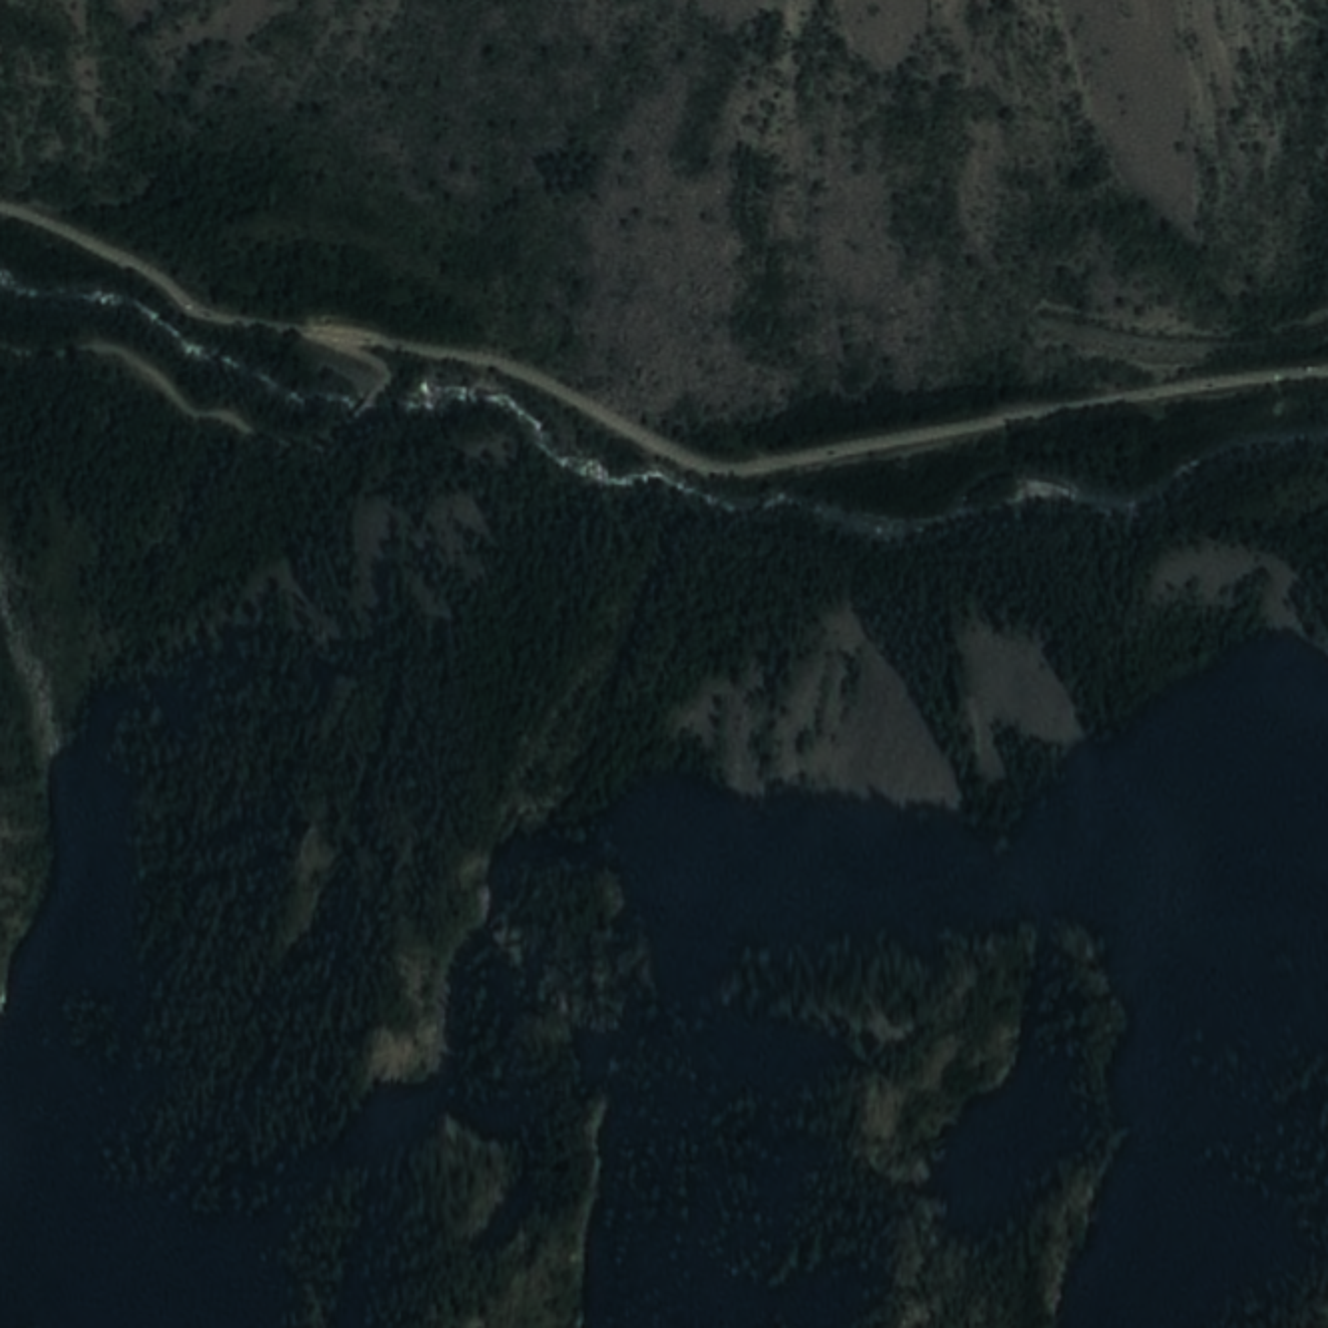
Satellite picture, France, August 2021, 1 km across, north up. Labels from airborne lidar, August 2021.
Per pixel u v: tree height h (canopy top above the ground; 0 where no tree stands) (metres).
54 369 16
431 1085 0
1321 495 7
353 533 23
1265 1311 15
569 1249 6
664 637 9
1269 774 21
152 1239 20
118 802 6
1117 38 0
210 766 13
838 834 10
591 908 7
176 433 16
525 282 8
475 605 7
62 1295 16
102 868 7
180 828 10
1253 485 16
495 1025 9
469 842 12
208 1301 7
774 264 8
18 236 12
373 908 7
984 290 9
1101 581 13
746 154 7
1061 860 0
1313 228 7
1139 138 0
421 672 20
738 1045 13
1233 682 8
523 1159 14
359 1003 19
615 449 11
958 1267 5
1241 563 0
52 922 0
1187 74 0
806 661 12
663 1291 6
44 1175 13
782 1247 8
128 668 20
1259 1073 9
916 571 17
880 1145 7
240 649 22
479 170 12
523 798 0
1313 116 6
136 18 0
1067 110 7
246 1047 21
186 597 11
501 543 7
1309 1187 13
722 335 0
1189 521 13
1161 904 0
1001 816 11
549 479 16
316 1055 21
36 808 10
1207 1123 11
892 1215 10
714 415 8
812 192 6
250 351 16
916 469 5
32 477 14
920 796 0
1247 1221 14
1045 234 7
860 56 6
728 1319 12
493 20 0
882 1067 14
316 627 18
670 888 8
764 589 11
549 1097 8
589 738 8
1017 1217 8
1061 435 11
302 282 14
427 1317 8
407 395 10
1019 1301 14
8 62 8
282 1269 16
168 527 7
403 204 5
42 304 12
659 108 0
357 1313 11
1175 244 8
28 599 6
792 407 8
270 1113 15
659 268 0
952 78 10
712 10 0
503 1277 8
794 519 12
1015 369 6
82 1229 19
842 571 24
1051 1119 18
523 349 7
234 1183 14
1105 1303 21
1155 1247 7
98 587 8
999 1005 7
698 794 9
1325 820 14
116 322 13
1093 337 0
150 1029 25
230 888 20
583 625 14
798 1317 7
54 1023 10
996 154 0
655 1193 12
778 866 0
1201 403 6
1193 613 8
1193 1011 6
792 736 0
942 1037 13
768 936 6
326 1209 10
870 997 16
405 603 16
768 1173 7
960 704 18
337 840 14
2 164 6
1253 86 7
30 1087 7
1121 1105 26
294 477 20
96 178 8
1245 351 6
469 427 16
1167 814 0
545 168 15
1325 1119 13
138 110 9
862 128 6
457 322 6
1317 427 7
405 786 22
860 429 18
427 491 11
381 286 13
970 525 17
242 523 23
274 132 12
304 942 20
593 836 7
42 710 0
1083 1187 6
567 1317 6
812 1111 8
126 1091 18
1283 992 23
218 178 9
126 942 5
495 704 7
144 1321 13
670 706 17
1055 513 18
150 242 8
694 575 20
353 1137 10
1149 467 7
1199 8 0
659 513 13
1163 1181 7
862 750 0
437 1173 12
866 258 0
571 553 17
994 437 7
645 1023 7
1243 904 9
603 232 0
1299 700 0
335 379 22
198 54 19
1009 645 0
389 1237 11
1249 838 17
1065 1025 17
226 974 18
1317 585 16
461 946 0
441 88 9
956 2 0
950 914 8
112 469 10
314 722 7
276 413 17
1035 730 0
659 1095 8
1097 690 11
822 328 0
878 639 21
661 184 0
